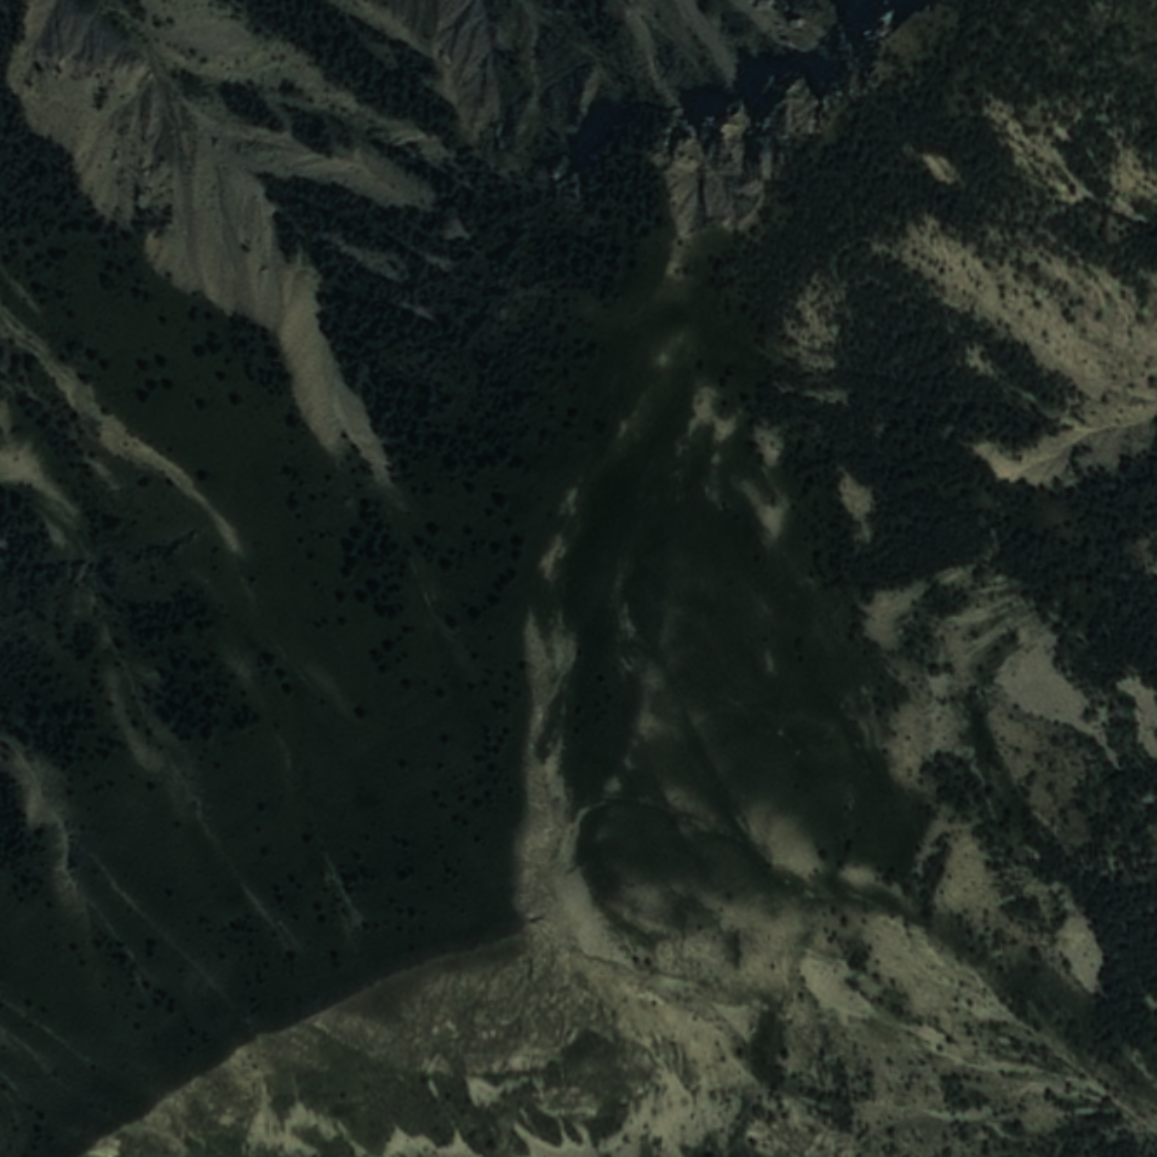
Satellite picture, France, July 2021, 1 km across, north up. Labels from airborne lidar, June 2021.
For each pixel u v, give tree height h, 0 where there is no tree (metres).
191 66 0
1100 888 8
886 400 10
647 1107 0
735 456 0
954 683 0
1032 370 8
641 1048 0
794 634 0
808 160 12
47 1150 0
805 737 0
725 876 0
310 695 0
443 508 0
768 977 0
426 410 9
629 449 0
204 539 0
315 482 0
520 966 0
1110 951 6
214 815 0
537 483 0
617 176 13
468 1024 0
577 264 12
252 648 0
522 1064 0
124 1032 0
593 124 0
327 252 11
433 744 0
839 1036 0
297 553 0
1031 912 6
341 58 14
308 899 0
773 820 0
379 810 0
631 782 0
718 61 0
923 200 6
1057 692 0
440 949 0
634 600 0
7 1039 0
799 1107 0
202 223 0
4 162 8
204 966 0
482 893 0
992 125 6
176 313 0
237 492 0
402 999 0
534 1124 0
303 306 0
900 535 10
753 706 0
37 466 0
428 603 0
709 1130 0
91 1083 0
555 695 0
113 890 0
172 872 0
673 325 0
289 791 0
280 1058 0
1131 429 0
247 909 0
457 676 0
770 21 0
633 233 7
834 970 0
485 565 0
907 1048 0
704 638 0
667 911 0
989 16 8
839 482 7
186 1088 0
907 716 0
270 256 0
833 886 0
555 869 0
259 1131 0
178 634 9
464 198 19
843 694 0
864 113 12
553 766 0
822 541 7
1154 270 7
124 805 0
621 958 0
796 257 12
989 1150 7
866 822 0
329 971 0
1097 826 9
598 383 0
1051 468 0
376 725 0
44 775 0
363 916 0
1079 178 7
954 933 0
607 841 0
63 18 0
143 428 0
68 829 0
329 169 0
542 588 0
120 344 0
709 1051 0
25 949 0
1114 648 10
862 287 8
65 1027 0
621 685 0
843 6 0
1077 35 6
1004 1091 0
